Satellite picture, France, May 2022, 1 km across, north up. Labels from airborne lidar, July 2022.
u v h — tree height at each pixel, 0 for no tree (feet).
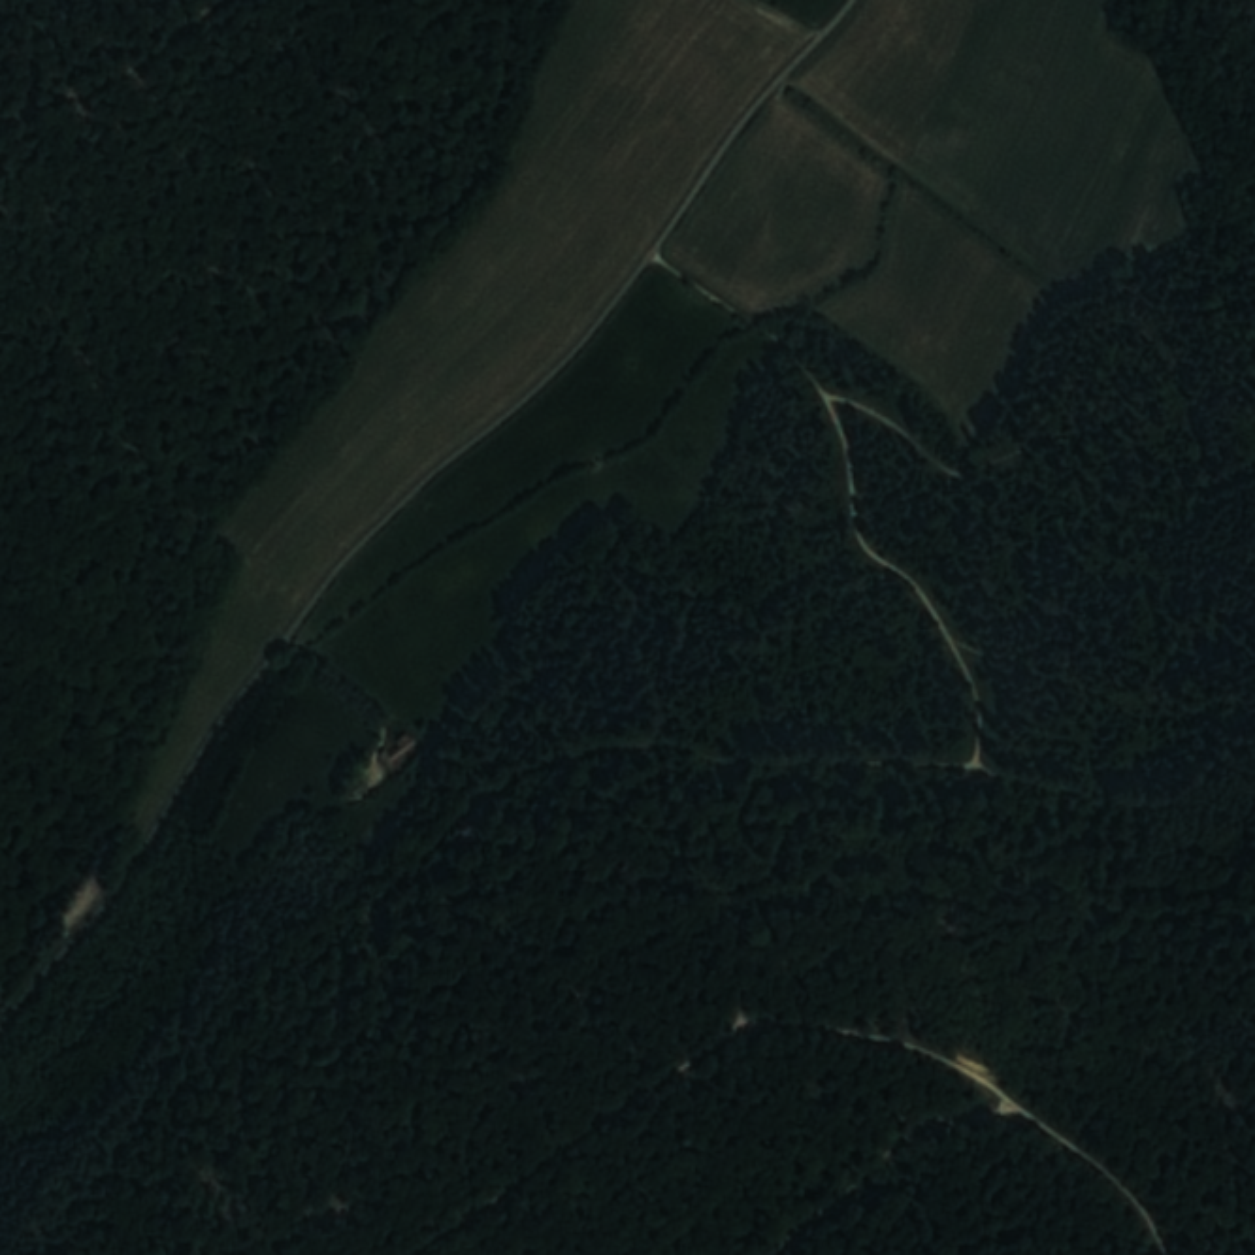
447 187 102
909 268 0
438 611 0
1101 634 113
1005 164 0
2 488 78
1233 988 88
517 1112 91
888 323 0
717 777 26
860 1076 86
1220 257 88
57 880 97
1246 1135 91
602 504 0
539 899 109
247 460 98
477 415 0
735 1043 80
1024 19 0
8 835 73
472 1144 84
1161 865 109
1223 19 88
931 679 41
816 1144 98
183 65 91
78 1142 105
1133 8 81
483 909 91
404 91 98
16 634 92
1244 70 75
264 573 0
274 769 0
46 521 95
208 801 49
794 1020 67
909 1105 100
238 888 51
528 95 57
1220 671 113
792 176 0
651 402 0
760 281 0
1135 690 110
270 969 56
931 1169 86
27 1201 104
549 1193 84
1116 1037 79
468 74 115
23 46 91
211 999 105
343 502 0
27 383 88
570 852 82
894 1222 88
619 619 135
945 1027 61
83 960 59
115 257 85
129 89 76
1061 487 54
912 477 49
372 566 0
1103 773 40
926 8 0
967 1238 87
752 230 0
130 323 89
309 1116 102
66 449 91
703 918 87
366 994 111
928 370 0
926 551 37
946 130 0
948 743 22
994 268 0
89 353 92
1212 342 101
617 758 34
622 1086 87
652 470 0
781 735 52
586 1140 83
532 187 0
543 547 0
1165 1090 89
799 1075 82
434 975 109
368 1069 95
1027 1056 59
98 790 108
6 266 84
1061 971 80
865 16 0
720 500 49
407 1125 53
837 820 127
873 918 87
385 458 0
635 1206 86
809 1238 75
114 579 91
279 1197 105
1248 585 115
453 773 104
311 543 0
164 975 50
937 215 0
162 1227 100
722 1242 98
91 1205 84
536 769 25
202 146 77
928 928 90
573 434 0
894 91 0
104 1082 45
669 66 0
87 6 89
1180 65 85
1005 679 116
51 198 82
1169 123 0
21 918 80
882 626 41
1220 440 109
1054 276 0
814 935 90
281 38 95
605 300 0
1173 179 0
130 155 76
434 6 89
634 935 91
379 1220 76
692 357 0
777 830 103
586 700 111
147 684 85
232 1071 93
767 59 0
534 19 82
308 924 79
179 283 73
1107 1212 87
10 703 107
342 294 76
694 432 0
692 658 103
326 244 96
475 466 0
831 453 23
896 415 0
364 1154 83
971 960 80
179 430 102
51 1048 58
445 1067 76
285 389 90
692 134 0
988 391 0
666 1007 89
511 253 0
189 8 93
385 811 0
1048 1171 89
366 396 0
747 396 57
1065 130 0
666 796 108
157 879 68
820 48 0
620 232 0
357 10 99
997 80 0
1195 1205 77
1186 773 139
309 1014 77
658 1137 85
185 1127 90
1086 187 0
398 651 0
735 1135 81
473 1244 64
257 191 86
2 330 94
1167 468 43
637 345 0
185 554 77
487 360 0
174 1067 73
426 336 0
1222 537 100
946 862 100
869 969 84
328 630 25
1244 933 104
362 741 0
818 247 0
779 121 0
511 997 87
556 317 0
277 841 67
